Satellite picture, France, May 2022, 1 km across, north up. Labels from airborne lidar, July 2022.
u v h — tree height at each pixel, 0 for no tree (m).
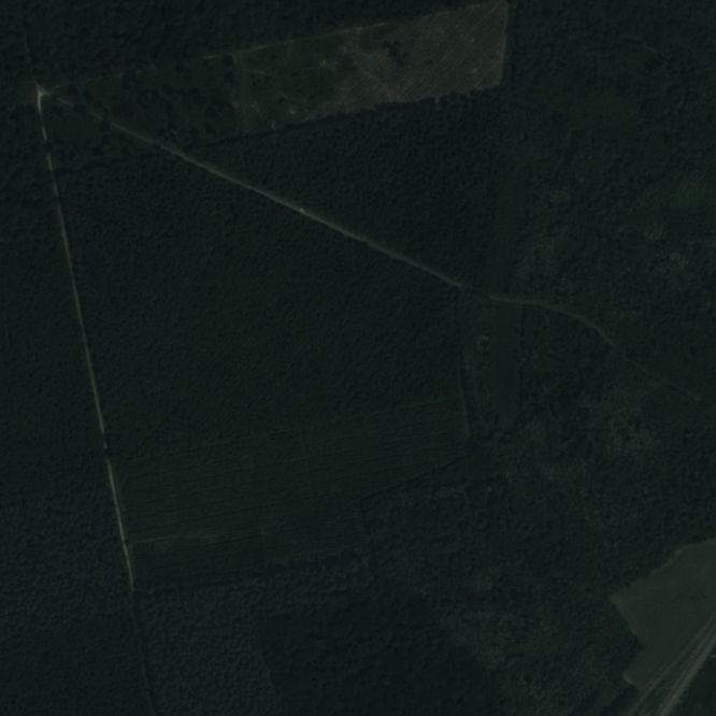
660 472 27
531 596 31
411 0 28
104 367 17
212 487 6
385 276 19
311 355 17
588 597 28
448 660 30
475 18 0
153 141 0
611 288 25
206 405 17
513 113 21
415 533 27
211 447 6
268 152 20
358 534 6
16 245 21
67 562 22
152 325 21
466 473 12
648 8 26
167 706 24
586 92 20
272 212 18
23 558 17
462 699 29
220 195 19
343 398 17
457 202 21
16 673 22
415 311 19
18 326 18
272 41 23
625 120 19
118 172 21
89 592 30
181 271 24
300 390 17
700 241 24
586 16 24
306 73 0
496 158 19
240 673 31
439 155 22
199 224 21
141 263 20
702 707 0
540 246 28
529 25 20
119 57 24
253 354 17
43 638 23
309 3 28
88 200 22
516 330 0
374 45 0
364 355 17
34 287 18
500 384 0
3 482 24
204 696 29
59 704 18
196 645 30
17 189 26
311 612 24
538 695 22
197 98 28
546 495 26
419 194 21
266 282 16
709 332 10
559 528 24
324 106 0
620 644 21
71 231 19
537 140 24
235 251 17
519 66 22
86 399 16
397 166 19
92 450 17
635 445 26
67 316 18
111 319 18
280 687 28
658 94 27
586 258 23
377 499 13
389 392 17
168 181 20
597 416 28
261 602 30
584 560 26
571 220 25
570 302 23
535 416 26
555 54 22
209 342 16
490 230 19
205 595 26
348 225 17
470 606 27
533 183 24
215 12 30
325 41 0
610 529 28
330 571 29
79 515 21
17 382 19
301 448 6
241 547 6
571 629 24
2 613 29
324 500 6
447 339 20
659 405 17
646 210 25
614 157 25
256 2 24
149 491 5
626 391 22
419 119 20
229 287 16
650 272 28
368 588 27
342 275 17
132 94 28
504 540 24
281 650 27
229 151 18
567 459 28
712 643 0
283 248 17
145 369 20
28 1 29
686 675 0
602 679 21
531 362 21
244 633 27
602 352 8
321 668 26
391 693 27
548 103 13
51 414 17
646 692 0
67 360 16
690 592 0
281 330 17
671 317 24
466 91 0
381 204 19
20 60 27
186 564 6
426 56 0
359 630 30
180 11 24
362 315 17
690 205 20
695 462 8
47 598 25
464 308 18
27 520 29
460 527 28
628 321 25
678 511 28
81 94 26
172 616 25
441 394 15
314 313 16
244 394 19
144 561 7
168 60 30
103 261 18
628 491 27
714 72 28
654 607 0
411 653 31
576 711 24
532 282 25
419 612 32
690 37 25
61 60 29
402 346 17
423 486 20
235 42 27
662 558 21
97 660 22
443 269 16
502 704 25
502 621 26
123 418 20
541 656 23
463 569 22
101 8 28
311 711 29
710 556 0
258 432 14
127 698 17
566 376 6
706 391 15
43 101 0
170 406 16
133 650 21
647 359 15
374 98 0
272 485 6
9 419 17
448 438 5
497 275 15
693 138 26
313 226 15
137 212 19
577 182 30
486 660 26
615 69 21
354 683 30
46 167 26
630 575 28
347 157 20
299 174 20
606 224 22
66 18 28
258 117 0
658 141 17
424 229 22
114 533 23
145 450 14
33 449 18
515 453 21
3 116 24
